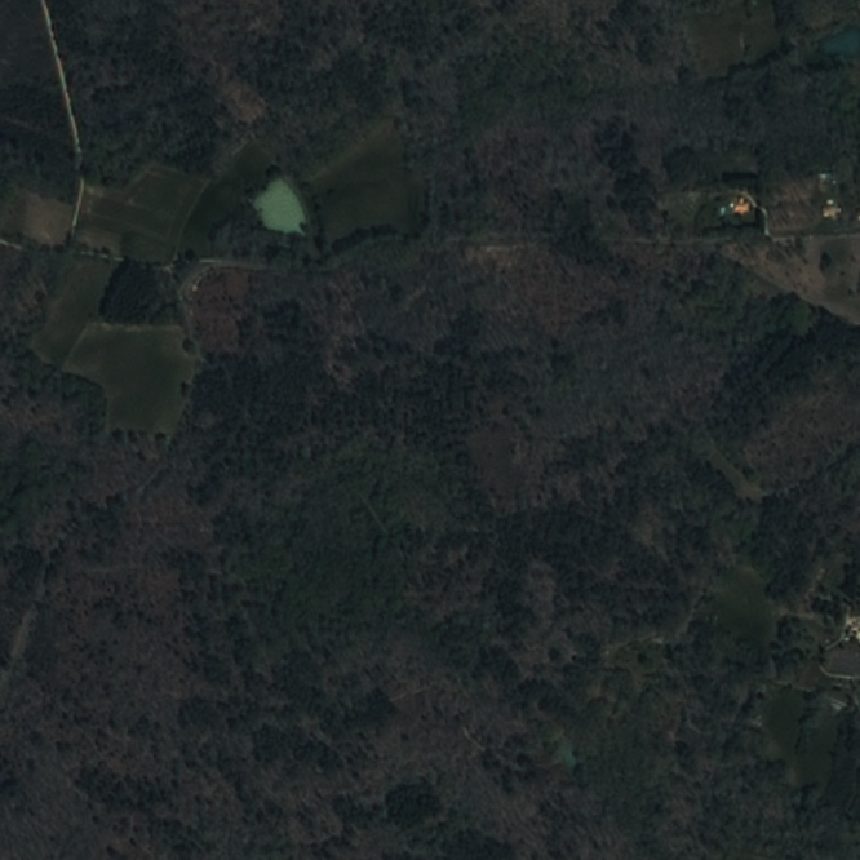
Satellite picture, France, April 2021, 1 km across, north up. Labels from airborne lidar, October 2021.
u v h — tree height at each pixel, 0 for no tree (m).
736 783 19
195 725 24
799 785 0
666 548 21
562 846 18
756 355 15
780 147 16
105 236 0
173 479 12
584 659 19
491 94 24
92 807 12
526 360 25
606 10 11
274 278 8
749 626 0
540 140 8
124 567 9
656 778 17
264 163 0
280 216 0
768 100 25
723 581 25
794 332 27
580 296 10
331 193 6
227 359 7
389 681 9
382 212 0
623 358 14
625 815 21
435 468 14
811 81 23
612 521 26
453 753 10
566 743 11
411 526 9
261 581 14
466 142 21
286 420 21
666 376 11
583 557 15
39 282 13
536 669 14
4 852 15
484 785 14
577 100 19
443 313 11
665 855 18
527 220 13
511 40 19
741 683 22
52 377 14
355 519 18
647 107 14
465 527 14
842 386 8
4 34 0
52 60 0
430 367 10
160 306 13
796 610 17
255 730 22
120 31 14
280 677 19
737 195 0
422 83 18
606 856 17
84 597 6
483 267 6
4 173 10
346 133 23
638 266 14
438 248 13
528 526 12
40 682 12
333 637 17
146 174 0
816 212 13
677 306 14
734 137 18
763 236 10
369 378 16
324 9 22
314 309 14
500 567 14
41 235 0
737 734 17
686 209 0
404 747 10
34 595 21
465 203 7
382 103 20
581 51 12
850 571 13
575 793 14
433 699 7
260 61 19
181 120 17
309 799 15
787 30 24
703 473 19
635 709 18
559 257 19
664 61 16
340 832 13
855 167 14
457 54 18
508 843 12
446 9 10
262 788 20
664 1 20
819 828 21
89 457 8
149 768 6
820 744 0
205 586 22
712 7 15
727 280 22
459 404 14
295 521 20
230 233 14
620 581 7
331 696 15
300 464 14
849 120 22
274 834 16
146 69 16
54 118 7
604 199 17
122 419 0
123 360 0
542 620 10
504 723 12
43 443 13
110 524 24
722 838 17
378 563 20
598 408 17
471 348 10
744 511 22
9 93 7
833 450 18
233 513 15
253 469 13
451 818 14
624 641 17
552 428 12
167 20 13
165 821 7
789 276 7
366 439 12
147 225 0
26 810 12
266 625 22
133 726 13
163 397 0
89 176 19
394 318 14
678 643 16
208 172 19
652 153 9
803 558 21
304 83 23
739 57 0
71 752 10
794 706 0
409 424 11
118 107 8
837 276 8
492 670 26
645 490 20
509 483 0
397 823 17
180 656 16
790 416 11
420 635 14
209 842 10
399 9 15
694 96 20
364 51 16
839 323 12
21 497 21
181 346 0
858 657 0
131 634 8
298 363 22
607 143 9
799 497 11
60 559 16
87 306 0
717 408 12
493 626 8
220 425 11
